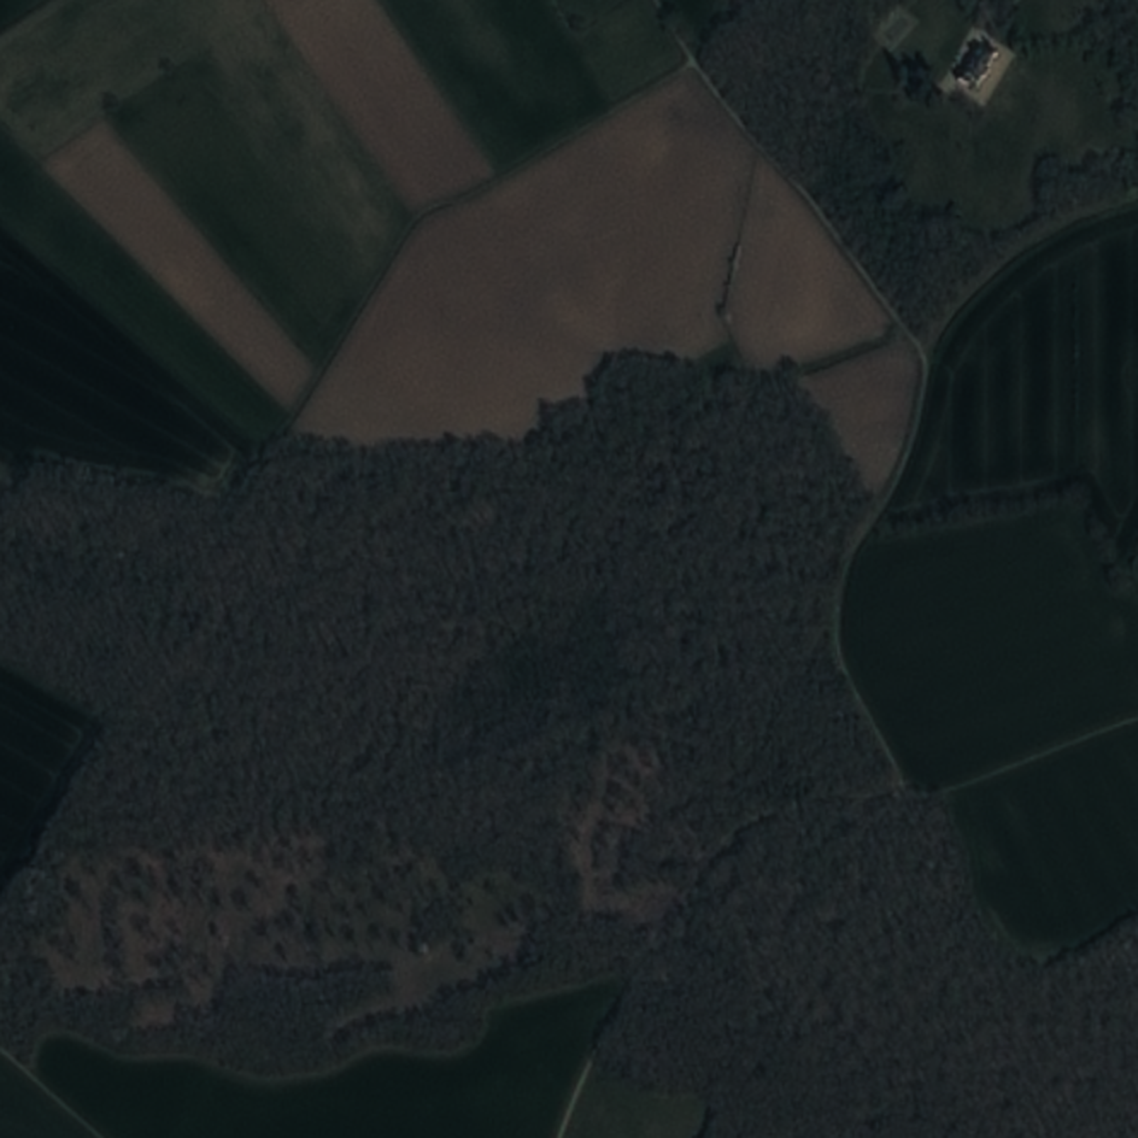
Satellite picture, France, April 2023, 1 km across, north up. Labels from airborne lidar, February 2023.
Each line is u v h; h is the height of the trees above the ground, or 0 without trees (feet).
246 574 62
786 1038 64
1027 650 0
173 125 0
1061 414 0
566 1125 0
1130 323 0
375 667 54
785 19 81
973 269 55
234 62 0
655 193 0
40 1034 43
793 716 68
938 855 34
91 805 69
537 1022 0
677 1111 0
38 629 85
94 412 0
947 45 0
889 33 0
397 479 67
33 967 63
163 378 0
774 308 0
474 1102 0
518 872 65
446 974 0
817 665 35
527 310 0
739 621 82
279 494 64
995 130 0
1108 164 42
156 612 68
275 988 78
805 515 78
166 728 50
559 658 48
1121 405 0
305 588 67
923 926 62
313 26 0
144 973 0
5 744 0
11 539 62
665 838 81
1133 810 0
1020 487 0
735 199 0
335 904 78
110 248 0
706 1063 73
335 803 67
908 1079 70
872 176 44
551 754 50
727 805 58
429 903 65
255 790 66
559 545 65
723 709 80
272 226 0
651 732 69
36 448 0
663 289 0
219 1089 0
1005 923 0
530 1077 0
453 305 0
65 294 0
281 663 72
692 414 66
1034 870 0
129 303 0
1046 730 0
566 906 73
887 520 0
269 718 75
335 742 68
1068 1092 69
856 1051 66
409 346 0
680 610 66
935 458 0
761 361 0
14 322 0
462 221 0
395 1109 0
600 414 68
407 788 64
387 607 68
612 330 0
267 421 0
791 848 69
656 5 0
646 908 0
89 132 0
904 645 0
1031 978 56
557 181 0
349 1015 55
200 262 0
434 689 31
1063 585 0
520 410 0
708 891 70
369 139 0
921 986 72
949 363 0
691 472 83
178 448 0
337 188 0
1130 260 0
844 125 29
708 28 0
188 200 0
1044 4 0
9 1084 0
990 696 0
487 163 0
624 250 0
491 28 0
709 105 0
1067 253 0
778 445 66
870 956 77
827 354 0
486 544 68
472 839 57
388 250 0
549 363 0
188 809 74
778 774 42
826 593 51
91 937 0
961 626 0
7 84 0
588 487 75
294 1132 0
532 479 68
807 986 47
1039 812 0
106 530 75
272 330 0
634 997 69
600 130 0
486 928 0
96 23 0
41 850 59
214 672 71
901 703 0
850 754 59
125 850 66
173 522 66
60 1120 0
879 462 0
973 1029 61
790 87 81
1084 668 0
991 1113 34
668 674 72
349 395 0
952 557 0
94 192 0
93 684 81
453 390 0
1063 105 0
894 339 47
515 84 0
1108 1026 56
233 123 0
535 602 70
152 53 0
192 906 83
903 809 55
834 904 77
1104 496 0
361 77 0
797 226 0
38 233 0
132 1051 51
